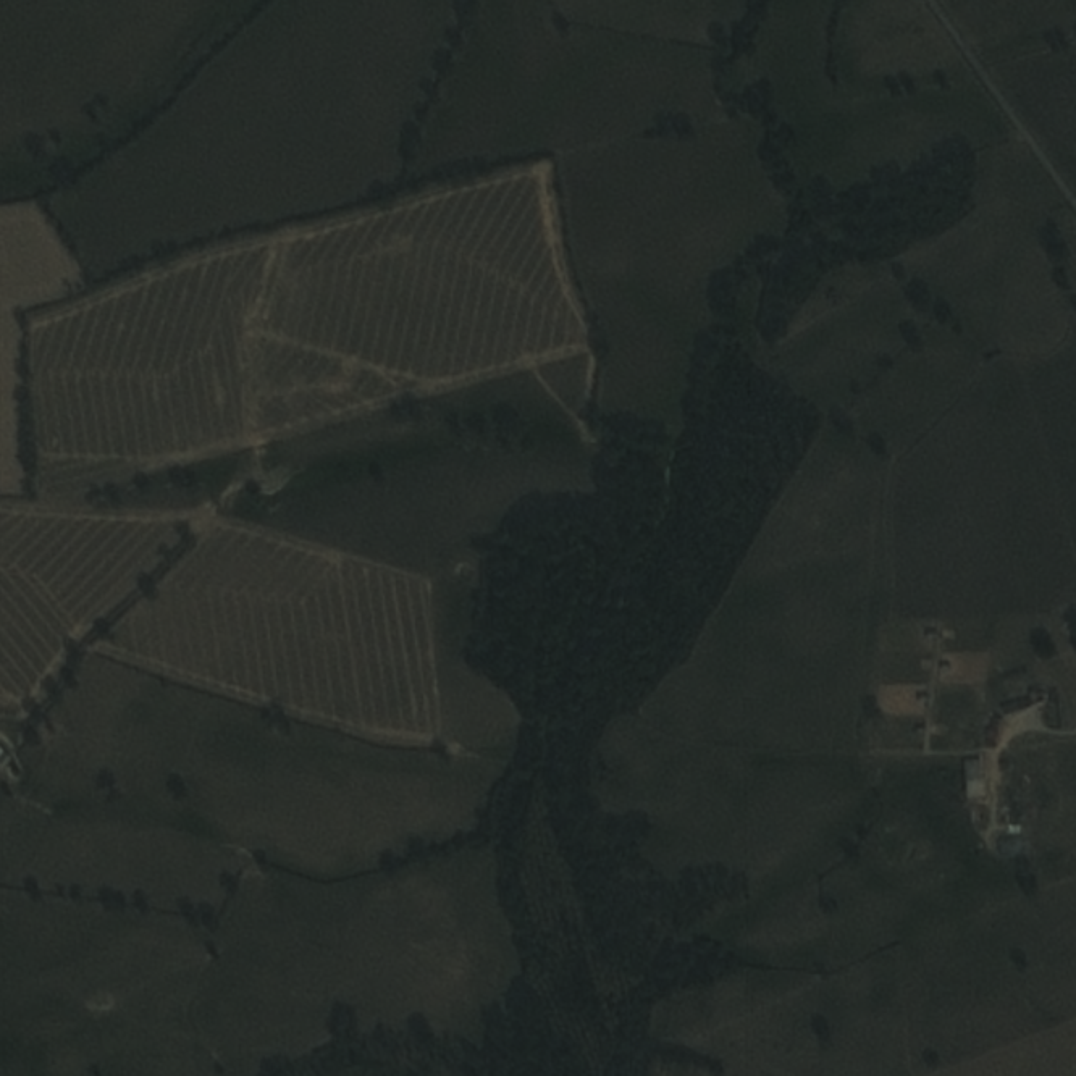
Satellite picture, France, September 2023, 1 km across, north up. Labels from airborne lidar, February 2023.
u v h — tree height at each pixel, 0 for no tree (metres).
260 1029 0
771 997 0
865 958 0
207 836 0
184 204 0
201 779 0
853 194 6
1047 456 0
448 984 0
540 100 0
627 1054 22
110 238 0
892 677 0
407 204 0
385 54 0
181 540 14
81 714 0
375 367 0
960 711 0
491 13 0
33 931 0
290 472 0
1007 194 0
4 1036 0
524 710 19
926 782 0
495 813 9
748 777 0
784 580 0
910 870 0
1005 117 0
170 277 0
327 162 0
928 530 0
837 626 0
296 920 0
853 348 0
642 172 0
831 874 0
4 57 0
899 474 0
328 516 0
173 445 0
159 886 0
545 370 0
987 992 0
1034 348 0
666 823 0
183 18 0
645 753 0
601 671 19
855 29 0
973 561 0
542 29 0
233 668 0
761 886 0
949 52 0
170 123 0
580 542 25
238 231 10
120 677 0
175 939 0
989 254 0
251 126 0
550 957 5
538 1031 23
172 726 0
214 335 0
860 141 0
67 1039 0
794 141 13
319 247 0
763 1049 0
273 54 0
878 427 0
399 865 9
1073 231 0
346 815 0
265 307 0
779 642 0
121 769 0
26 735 14
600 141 0
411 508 0
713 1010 0
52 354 0
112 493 14
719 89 10
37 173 0
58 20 0
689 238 0
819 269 11
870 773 0
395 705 0
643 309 0
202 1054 0
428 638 0
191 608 0
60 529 0
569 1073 26
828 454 0
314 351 0
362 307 0
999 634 0
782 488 0
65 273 0
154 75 0
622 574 24
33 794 0
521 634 25
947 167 15
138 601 0
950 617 0
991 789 0
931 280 0
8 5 0
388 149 0
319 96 0
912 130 0
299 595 0
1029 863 11
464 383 0
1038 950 0
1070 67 0
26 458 13
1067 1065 0
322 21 0
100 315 0
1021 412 0
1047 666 0
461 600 0
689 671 0
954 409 0
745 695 0
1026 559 0
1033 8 0
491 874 0
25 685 0
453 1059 20
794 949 0
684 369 0
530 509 21
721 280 16
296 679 0
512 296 0
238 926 0
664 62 0
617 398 0
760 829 0
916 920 0
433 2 0
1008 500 0
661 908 16
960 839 0
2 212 0
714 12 0
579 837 8
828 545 0
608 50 0
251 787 0
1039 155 0
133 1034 0
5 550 0
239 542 0
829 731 0
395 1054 19
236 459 0
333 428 0
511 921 15
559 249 0
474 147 0
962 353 0
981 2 0
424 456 0
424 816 0
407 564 0
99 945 0
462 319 0
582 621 23
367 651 0
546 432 0
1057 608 0
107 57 0
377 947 0
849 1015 0
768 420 22
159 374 0
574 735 14
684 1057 14
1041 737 0
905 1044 0
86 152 0
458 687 0
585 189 0
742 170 0
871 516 0
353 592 0
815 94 0
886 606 0
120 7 0
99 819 0
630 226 0
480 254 0
